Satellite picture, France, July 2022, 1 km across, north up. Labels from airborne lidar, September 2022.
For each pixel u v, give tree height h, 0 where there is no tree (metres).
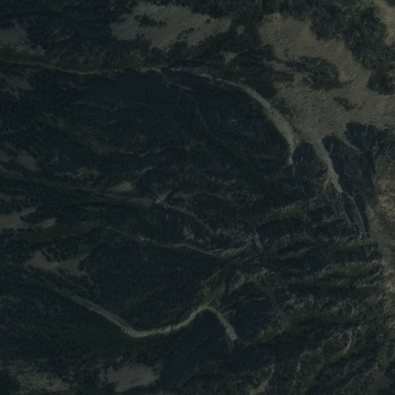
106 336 0
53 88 20
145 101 10
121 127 13
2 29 12
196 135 11
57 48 13
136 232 8
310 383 0
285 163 8
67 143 7
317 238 9
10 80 0
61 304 13
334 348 6
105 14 7
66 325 8
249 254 0
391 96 0
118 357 0
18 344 12
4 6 14
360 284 0
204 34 0
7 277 25
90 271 0
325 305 7
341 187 0
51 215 12
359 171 0
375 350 8
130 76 25
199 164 8
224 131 8
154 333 0
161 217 8
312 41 0
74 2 8
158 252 7
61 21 7
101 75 0
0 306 0
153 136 5
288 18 0
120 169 6
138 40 10
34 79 15
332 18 6
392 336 0
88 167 7
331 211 8
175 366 0
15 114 20
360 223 0
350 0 0
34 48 10
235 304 7
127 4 8
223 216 15
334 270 0
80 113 12
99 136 0
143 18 10
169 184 7
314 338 0
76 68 7
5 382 10
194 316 0
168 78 13
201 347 8
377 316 0
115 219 9
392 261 0
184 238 7
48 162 7
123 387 0
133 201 0
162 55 8
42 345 13
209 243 8
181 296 8
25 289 16
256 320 6
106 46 7
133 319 8
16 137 21
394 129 0
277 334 0
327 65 0
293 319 0
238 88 0
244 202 9
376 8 0
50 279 12
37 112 24
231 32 5
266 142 6
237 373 8
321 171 0
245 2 9
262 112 0
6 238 14
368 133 0
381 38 0
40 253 0
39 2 11
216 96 8
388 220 0
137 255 9
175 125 8
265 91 0
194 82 9
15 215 0
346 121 0
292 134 0
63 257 19
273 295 0
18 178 0
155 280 8
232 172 8
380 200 0
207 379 10
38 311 16
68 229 0
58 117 16
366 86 0
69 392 0
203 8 7
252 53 9
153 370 0
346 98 0
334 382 0
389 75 0
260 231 8
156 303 10
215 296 0
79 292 7
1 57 0
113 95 8
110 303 7
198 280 12
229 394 12
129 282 13
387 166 0
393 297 0
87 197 6
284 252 9
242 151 7
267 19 0
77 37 9
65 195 13
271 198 8
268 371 9
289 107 0
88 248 0
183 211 0
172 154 10
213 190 8
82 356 13
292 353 7
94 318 8
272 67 0
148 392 7
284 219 0
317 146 0
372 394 0
